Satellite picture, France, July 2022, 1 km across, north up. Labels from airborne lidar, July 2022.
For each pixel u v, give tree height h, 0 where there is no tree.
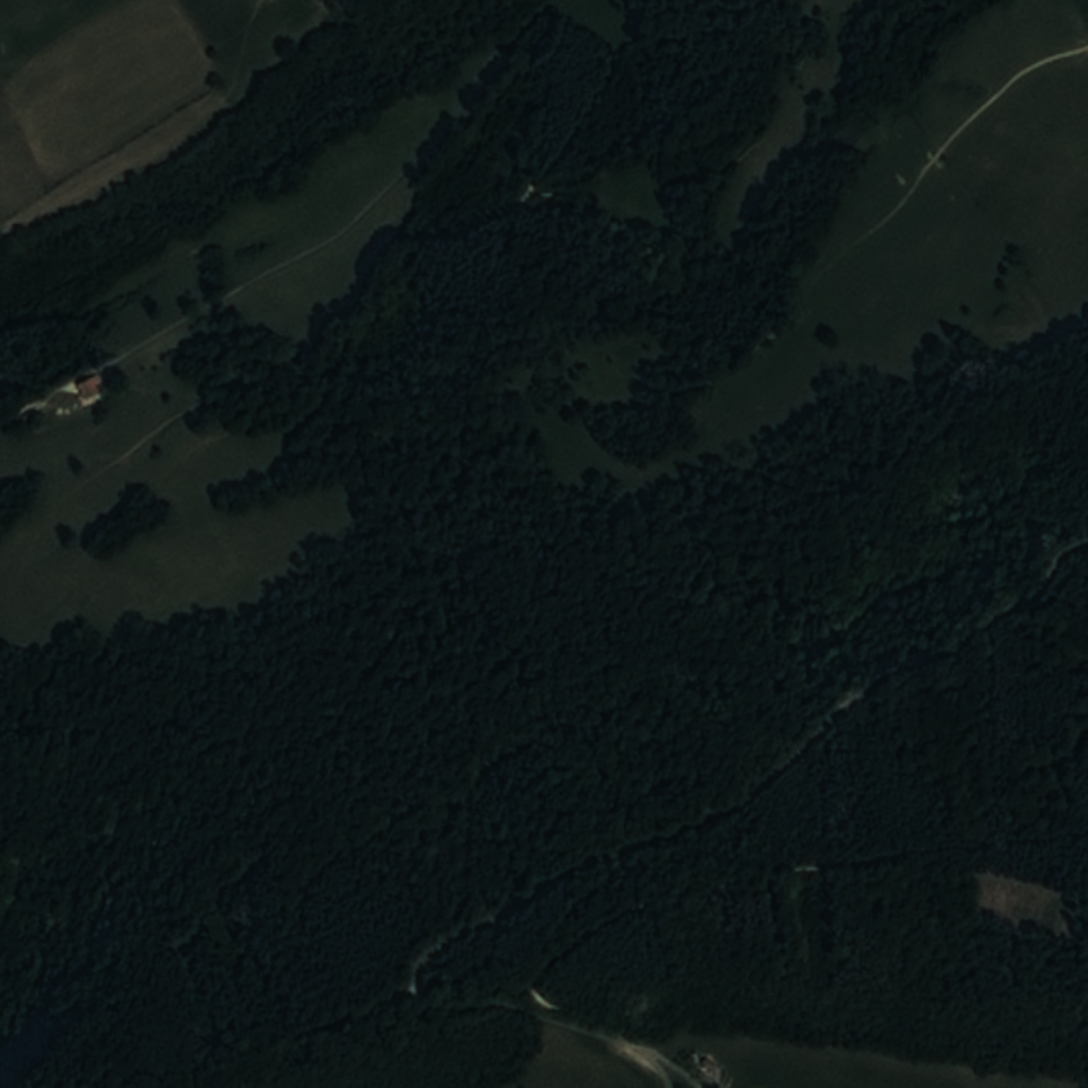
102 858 33
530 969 20
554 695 33
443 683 29
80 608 0
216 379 20
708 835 14
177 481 0
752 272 25
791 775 9
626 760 26
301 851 30
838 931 28
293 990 31
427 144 0
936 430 30
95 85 0
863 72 19
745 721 31
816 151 8
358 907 22
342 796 35
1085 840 24
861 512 35
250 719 37
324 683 22
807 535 33
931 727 25
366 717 38
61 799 31
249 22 0
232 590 0
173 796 22
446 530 17
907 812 18
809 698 21
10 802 31
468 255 31
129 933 20
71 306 7
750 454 24
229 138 15
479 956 13
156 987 24
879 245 0
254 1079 19
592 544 32
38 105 0
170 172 9
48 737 28
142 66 0
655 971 6
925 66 21
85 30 0
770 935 21
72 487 0
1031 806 28
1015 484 29
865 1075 0
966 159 0
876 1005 12
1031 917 0
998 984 24
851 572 25
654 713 29
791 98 0
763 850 17
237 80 0
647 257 29
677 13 20
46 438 0
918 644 28
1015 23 0
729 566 36
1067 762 30
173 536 0
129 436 0
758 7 24
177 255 0
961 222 0
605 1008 12
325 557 26
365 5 25
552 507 25
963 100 0
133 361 0
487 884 27
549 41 27
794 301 26
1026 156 0
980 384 28
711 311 18
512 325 23
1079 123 0
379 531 28
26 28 0
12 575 0
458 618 18
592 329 30
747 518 29
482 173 12
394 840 25
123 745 32
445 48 16
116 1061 23
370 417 27
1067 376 34
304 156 25
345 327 31
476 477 21
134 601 0
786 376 0
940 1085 0
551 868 20
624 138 19
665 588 31
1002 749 27
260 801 31
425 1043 14
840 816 18
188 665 27
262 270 0
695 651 28
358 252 0
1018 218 0
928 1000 12
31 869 27
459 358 24
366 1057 10
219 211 8
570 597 38
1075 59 0
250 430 14
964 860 19
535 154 23
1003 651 18
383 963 18
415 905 22
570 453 0
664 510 29
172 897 23
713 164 7
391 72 23
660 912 18
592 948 10
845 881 25
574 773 29
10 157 0
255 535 0
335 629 32
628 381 0
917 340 0
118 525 18
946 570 22
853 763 20
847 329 0
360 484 12
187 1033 26
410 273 23
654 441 30
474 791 28
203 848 21
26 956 25
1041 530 18
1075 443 29
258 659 37
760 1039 20
